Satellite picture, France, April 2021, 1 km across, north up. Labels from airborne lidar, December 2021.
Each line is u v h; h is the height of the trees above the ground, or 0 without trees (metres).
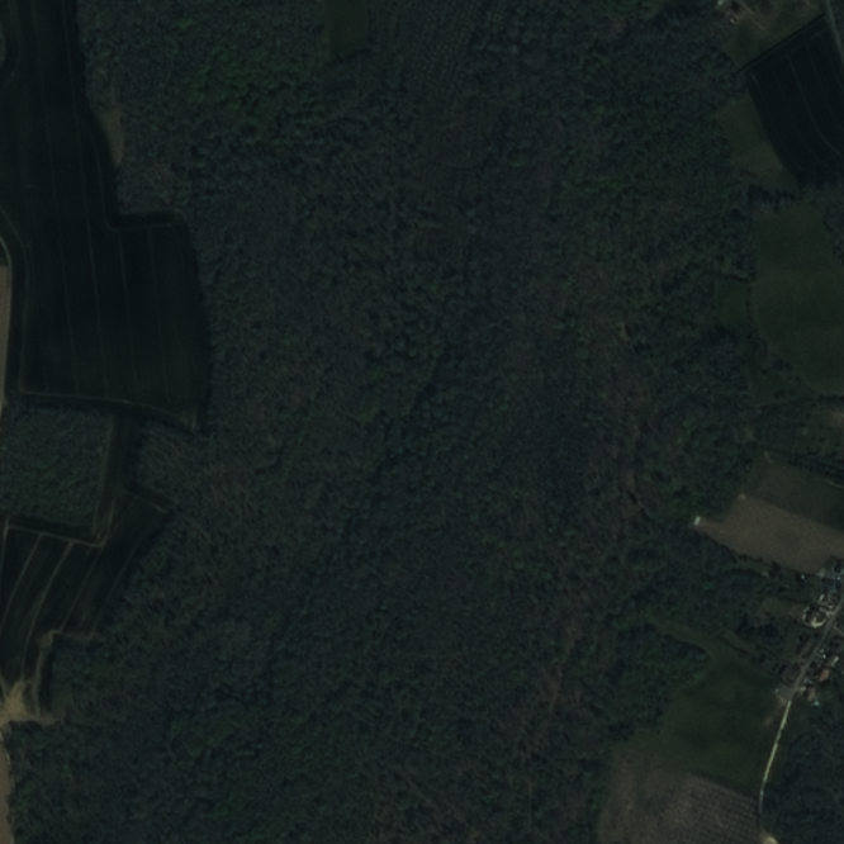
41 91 0
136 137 20
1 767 0
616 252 21
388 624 13
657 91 15
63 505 15
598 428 20
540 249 20
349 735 18
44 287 0
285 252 24
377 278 29
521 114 17
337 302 30
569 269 19
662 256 23
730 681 0
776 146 0
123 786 19
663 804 0
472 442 18
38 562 0
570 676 10
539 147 20
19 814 19
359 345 24
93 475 11
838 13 8
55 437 15
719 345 30
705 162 21
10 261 0
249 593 11
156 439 17
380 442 18
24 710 0
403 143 8
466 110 6
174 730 24
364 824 16
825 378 0
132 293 0
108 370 0
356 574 18
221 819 16
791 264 0
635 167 22
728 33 15
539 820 14
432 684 19
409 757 24
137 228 0
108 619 0
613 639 28
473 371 10
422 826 25
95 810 21
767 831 33
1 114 0
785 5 0
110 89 14
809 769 19
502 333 18
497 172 12
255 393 17
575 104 21
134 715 16
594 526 20
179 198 14
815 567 0
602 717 32
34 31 0
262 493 18
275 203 22
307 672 16
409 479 13
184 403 0
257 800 15
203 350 0
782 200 12
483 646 18
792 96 0
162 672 21
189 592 14
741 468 23
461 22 23
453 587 21
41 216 0
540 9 20
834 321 0
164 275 0
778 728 0
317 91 15
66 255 0
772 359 18
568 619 20
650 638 23
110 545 0
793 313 0
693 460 26
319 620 22
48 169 0
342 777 19
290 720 18
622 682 31
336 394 21
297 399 16
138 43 22
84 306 0
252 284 17
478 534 19
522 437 17
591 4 28
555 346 19
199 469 22
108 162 0
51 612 0
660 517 26
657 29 16
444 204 8
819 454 6
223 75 28
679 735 0
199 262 13
